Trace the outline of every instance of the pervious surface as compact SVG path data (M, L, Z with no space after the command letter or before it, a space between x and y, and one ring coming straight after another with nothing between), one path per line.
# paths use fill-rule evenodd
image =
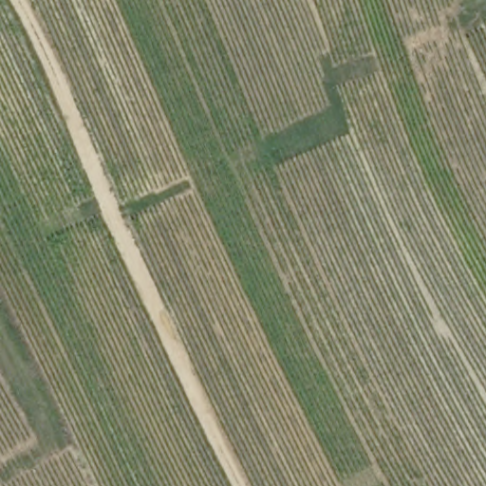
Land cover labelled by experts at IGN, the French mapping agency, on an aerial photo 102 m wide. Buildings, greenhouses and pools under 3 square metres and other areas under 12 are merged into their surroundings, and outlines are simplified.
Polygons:
M158 289L142 262L133 234L121 218L118 199L110 192L110 182L104 175L101 165L103 158L93 150L82 116L72 99L68 80L28 0L11 0L13 8L17 9L21 17L23 27L27 28L32 46L42 61L47 80L57 97L57 103L65 114L70 137L74 140L82 167L91 182L104 222L116 239L121 258L127 264L127 270L131 273L139 289L140 298L158 328L159 338L177 370L190 404L196 410L199 423L232 486L249 486L226 442L226 437L222 435L216 423L211 404L197 382L190 359L184 351L184 346L180 344L177 327L161 304Z

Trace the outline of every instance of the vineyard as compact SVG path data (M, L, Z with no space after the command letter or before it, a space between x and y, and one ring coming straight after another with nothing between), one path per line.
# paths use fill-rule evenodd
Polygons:
M197 382L211 404L216 423L222 435L226 437L226 442L249 486L486 486L486 0L28 0L68 80L72 99L82 116L93 150L103 158L101 165L104 175L110 182L110 192L118 199L121 218L133 234L142 262L158 289L161 304L177 327L180 344L184 346L184 351L190 359Z
M140 298L139 289L131 273L127 270L127 264L121 258L116 239L104 222L91 182L82 167L74 140L70 137L65 114L57 103L57 97L47 80L42 61L32 46L27 28L23 27L21 17L17 9L13 8L11 0L0 0L0 486L232 486L199 423L196 410L190 404L177 370L159 338L158 328Z

